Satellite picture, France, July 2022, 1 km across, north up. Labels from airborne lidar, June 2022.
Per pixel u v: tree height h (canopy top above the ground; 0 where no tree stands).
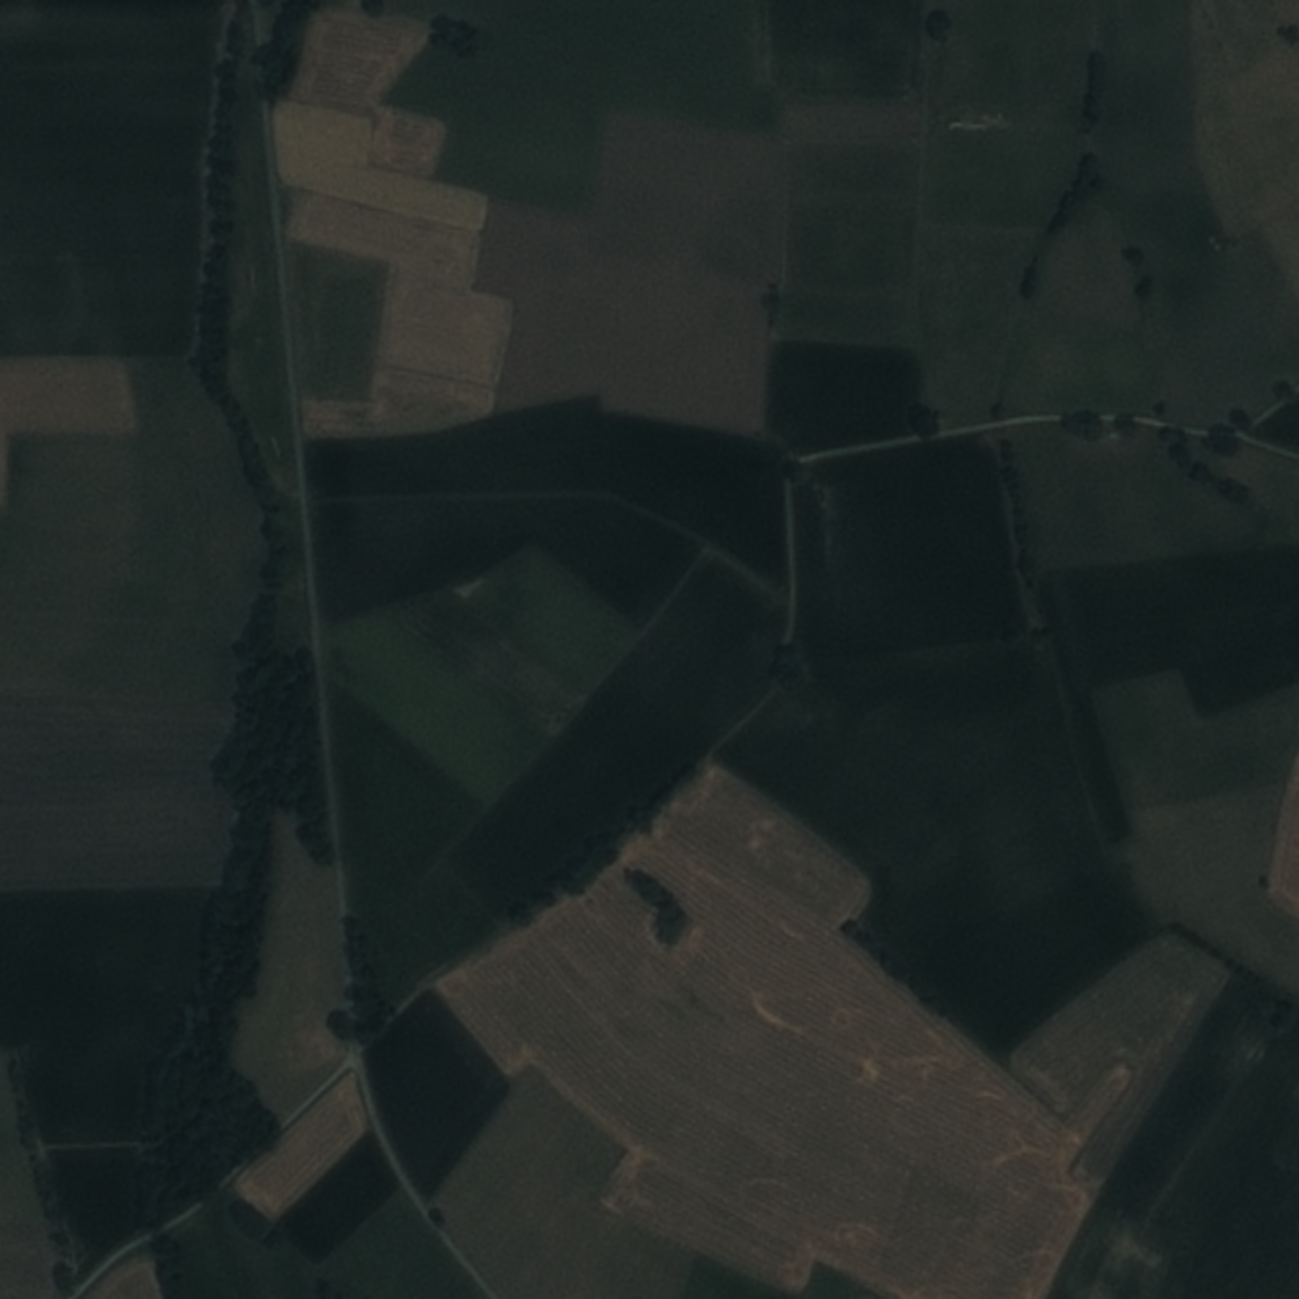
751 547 0
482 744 0
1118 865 0
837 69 0
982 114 0
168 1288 17
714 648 0
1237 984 0
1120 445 0
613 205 0
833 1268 0
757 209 0
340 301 0
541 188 0
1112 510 0
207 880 0
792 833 0
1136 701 0
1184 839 0
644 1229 0
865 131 0
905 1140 0
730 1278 0
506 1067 0
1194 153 0
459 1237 0
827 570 0
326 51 0
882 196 0
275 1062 0
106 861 0
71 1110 0
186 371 0
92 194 0
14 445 0
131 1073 0
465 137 0
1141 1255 0
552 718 0
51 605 0
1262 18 0
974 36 0
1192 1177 0
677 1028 0
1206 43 0
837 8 0
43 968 0
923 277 0
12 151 0
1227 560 0
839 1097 0
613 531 0
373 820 0
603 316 0
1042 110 0
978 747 0
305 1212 0
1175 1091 0
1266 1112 0
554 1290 0
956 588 0
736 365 0
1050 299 0
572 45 0
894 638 0
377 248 0
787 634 0
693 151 0
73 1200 0
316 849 18
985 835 0
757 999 0
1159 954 0
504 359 0
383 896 0
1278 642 0
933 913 0
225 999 18
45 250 0
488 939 0
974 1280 0
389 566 0
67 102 0
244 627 0
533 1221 0
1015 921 0
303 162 0
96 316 0
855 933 14
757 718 0
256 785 17
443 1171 0
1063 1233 0
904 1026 0
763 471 0
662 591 0
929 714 0
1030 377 0
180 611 0
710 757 0
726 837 0
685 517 0
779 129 0
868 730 0
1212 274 0
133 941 0
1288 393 14
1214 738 0
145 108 0
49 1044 0
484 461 0
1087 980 0
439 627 0
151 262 0
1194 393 0
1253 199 0
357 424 0
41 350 0
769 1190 0
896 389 0
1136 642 0
